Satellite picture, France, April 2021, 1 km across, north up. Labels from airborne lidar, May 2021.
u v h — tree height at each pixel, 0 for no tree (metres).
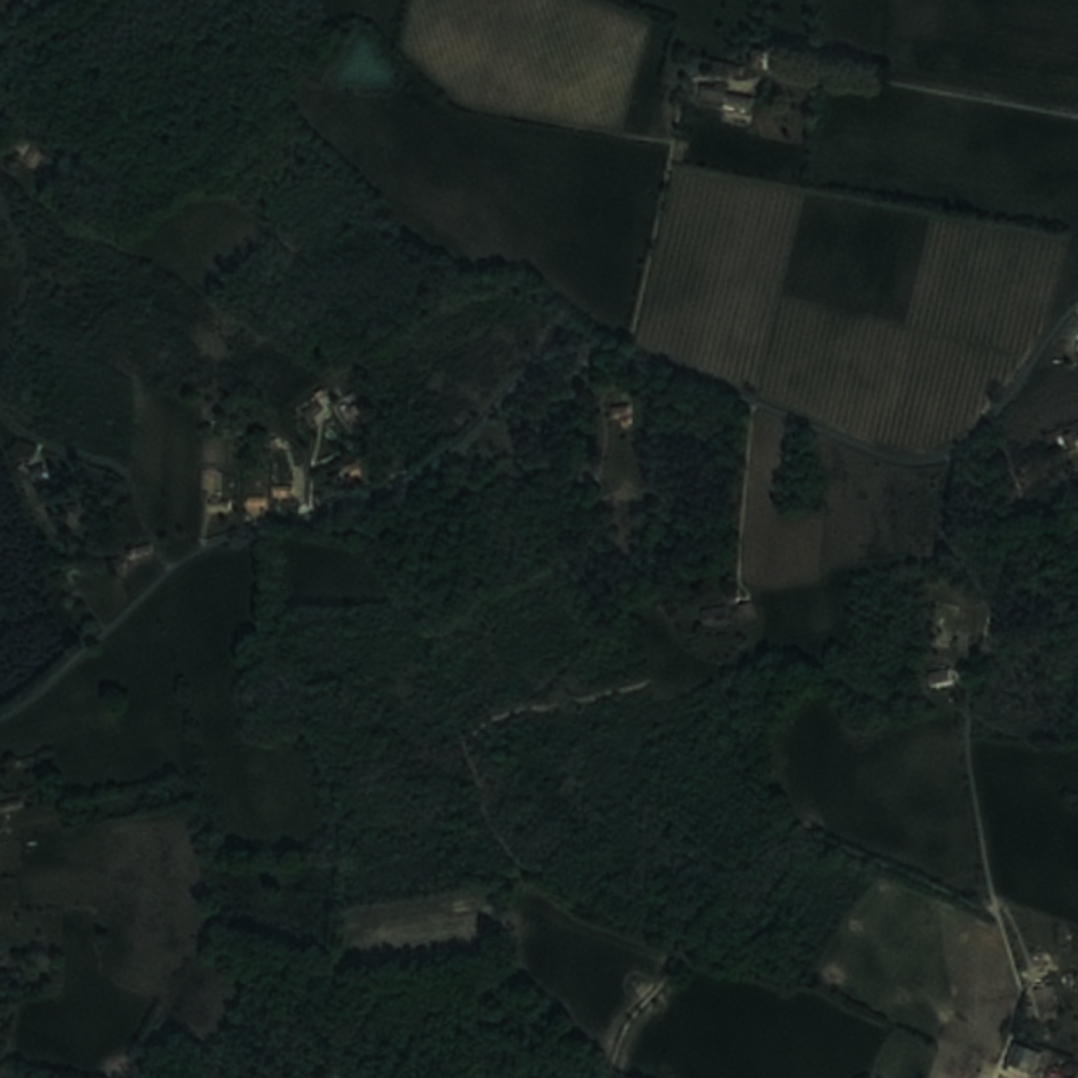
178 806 17
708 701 9
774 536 0
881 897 0
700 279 0
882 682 10
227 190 13
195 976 0
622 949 0
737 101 0
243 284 19
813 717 0
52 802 13
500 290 15
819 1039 0
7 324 0
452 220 0
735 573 10
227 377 13
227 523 11
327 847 15
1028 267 0
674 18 8
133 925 0
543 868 19
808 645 0
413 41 0
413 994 16
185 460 0
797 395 0
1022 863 0
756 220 0
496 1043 21
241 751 0
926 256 0
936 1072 0
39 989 12
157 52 21
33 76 20
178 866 0
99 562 11
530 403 10
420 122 0
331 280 16
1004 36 0
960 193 0
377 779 17
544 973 0
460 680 9
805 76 29
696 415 15
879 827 0
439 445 14
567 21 0
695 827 11
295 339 21
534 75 0
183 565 0
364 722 13
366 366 9
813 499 16
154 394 0
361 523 17
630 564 18
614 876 10
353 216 9
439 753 9
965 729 14
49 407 9
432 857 10
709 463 18
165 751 0
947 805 0
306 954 23
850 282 0
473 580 19
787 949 26
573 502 16
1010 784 0
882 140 0
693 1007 0
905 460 0
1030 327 0
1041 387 0
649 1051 0
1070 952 0
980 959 0
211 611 0
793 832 14
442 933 0
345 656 9
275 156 10
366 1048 11
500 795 12
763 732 16
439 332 10
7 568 18
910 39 0
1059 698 9
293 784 0
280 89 19
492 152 0
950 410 0
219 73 19
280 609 17
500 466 8
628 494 0
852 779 0
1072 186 0
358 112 0
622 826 9
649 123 0
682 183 0
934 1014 0
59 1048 0
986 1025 0
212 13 22
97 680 0
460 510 16
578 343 17
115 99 22
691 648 6
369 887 11
